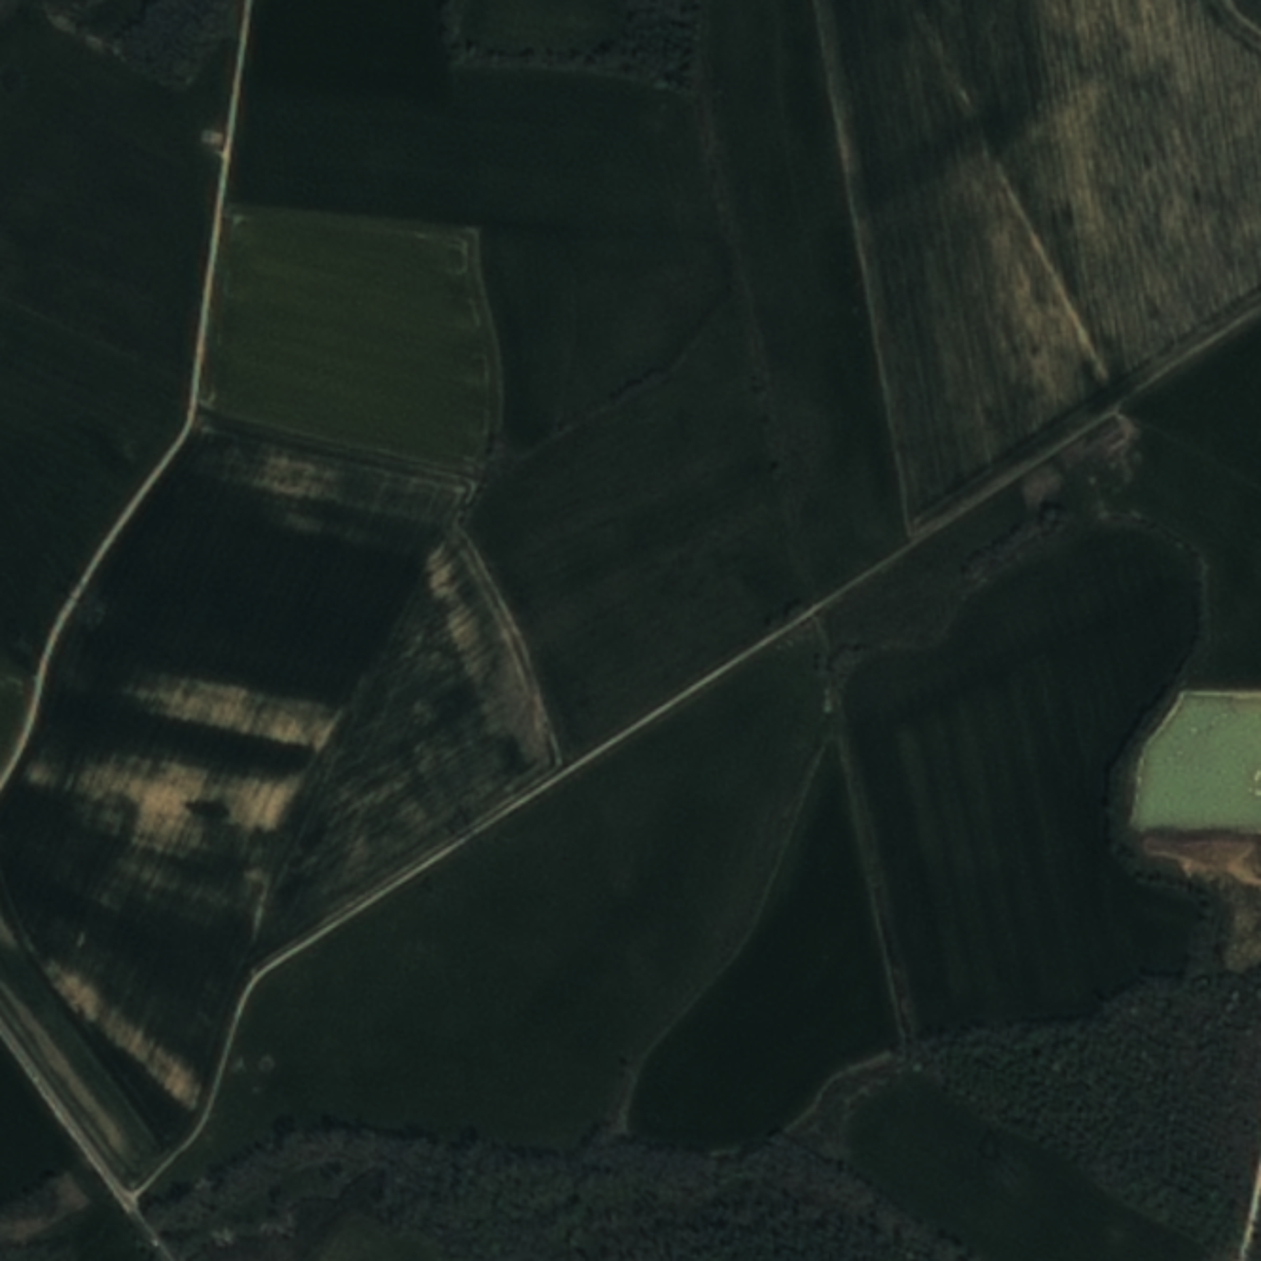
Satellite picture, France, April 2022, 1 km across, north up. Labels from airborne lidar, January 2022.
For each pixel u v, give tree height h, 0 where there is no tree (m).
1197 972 17
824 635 0
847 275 0
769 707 0
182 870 0
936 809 0
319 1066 0
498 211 0
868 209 0
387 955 0
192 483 0
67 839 0
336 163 0
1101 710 0
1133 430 0
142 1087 0
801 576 0
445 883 0
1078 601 0
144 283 0
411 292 0
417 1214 18
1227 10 0
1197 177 0
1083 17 0
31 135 0
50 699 0
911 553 0
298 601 0
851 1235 15
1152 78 0
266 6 0
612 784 0
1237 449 0
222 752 0
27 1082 0
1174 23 0
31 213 0
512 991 0
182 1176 0
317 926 0
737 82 0
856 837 0
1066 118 0
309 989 0
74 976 0
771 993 0
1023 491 0
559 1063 0
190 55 22
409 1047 0
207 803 0
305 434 0
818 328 0
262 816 0
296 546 0
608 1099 0
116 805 0
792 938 0
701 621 0
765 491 0
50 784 0
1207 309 0
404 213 0
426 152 0
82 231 0
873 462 0
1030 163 0
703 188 0
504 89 0
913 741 0
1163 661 0
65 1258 16
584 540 0
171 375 0
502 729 0
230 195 0
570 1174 26
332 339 0
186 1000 0
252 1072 0
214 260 0
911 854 0
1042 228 0
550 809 0
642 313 0
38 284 0
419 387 0
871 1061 0
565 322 0
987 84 0
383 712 0
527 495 0
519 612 0
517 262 0
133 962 0
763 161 0
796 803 0
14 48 0
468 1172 21
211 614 0
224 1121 0
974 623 0
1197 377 0
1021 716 0
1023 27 0
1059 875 0
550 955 0
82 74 0
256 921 0
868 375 0
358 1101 0
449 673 0
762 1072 0
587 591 0
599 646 0
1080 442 0
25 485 0
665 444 0
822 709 0
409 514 0
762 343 0
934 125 0
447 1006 0
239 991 0
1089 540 0
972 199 0
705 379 0
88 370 0
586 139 0
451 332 0
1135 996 15
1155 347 0
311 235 0
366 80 0
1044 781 0
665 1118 0
